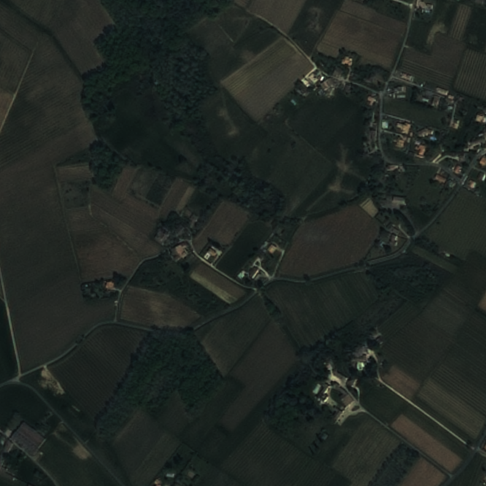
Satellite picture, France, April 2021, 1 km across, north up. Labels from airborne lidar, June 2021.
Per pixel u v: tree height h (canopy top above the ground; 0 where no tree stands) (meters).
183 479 6
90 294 7
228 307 9
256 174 0
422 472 0
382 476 18
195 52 21
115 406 18
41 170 0
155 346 18
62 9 0
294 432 20
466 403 0
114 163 16
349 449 0
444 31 0
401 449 11
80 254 0
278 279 0
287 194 0
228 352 0
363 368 0
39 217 0
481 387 0
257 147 0
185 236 9
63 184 0
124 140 0
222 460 0
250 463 0
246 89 0
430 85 0
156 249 0
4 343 0
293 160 0
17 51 0
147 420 0
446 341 0
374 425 0
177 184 0
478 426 0
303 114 0
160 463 0
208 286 0
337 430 0
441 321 0
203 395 18
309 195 0
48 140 0
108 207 0
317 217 0
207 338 0
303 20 0
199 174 7
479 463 0
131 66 21
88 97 20
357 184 0
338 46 0
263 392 0
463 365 0
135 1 24
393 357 0
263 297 13
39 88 0
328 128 0
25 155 0
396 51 0
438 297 0
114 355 0
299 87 11
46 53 0
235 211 0
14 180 0
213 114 0
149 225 0
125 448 0
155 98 0
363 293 0
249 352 0
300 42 0
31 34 0
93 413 0
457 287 0
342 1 0
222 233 0
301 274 0
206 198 0
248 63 0
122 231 0
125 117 0
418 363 0
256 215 17
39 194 0
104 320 0
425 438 0
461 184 0
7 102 0
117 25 11
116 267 0
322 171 0
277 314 20
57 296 0
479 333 0
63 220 0
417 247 10
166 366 12
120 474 0
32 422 0
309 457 0
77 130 0
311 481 0
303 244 0
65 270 0
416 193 0
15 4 0
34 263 0
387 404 0
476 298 0
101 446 0
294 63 0
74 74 0
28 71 0
